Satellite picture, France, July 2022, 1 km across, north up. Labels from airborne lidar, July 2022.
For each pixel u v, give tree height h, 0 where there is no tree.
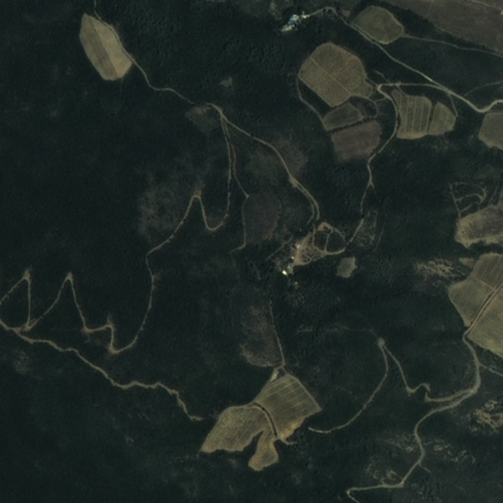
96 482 7
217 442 0
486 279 0
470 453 8
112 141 6
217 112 10
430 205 7
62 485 6
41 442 6
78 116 8
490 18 0
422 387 6
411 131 0
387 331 5
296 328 8
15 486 6
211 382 6
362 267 15
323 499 7
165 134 6
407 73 7
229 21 8
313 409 0
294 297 10
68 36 7
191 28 8
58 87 6
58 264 5
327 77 0
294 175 0
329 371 6
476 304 0
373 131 0
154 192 0
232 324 10
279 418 0
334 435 8
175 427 6
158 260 5
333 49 0
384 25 0
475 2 0
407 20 12
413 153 9
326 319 8
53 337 5
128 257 6
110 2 10
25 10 7
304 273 12
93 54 0
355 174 12
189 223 6
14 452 5
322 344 6
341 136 0
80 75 8
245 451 8
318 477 7
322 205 6
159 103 6
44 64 6
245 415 0
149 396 5
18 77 6
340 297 6
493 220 0
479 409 0
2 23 6
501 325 0
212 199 6
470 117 5
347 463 6
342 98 0
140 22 12
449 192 8
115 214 5
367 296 9
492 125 0
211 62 8
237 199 6
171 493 6
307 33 7
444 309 7
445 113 0
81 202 6
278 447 11
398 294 9
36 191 6
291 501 10
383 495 6
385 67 6
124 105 8
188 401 5
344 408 5
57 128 7
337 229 9
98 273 6
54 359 6
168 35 8
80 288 7
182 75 5
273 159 0
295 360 6
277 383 0
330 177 15
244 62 6
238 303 6
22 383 7
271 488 8
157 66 7
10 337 6
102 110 8
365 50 6
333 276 8
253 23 11
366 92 0
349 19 7
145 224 0
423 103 0
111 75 0
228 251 8
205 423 7
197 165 6
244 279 6
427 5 0
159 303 6
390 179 6
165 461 7
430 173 7
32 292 6
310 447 7
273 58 12
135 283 6
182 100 7
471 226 0
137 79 7
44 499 6
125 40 6
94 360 6
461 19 0
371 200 7
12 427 6
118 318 6
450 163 9
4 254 5
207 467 10
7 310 6
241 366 5
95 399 7
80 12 9
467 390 0
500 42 0
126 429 6
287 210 0
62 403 7
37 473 5
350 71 0
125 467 7
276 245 8
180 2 9
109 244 6
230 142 8
